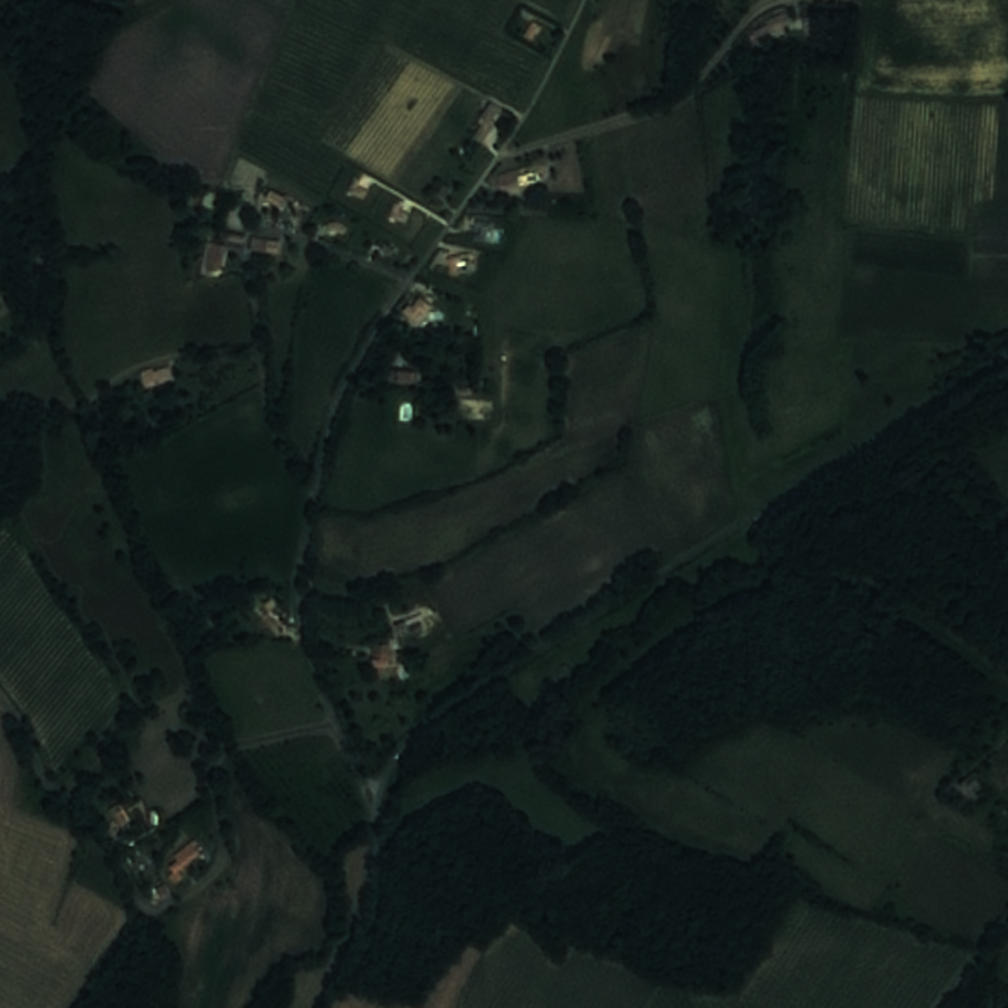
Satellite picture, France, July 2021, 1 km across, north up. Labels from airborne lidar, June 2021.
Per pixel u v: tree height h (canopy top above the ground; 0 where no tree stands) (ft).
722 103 0
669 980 63
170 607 85
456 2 0
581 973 0
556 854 80
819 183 0
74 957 0
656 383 0
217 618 66
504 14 0
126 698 41
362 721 0
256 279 18
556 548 0
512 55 0
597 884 76
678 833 0
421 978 52
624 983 0
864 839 0
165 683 34
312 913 0
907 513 88
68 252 43
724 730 33
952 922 0
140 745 0
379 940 61
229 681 0
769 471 0
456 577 0
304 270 0
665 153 0
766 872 46
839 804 0
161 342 0
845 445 0
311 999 0
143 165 45
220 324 0
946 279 0
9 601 0
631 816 43
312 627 61
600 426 0
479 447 0
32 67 68
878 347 0
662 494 0
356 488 0
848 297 0
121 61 0
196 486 0
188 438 0
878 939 0
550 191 35
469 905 79
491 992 0
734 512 0
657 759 58
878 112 0
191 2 0
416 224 0
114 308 0
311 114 0
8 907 0
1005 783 0
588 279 0
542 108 0
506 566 0
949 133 0
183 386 0
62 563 0
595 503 0
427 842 77
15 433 63
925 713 71
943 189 0
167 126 0
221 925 0
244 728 0
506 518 0
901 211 0
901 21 0
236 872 0
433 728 86
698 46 72
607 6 0
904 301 0
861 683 55
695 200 0
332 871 37
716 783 0
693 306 0
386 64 0
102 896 0
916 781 0
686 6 38
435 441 0
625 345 0
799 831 36
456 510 0
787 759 0
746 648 80
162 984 81
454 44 0
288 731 0
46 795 26
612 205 0
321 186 0
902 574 51
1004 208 0
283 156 0
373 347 18
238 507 0
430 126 0
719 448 0
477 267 0
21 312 44
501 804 82
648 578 68
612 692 56
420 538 0
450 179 0
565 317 0
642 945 57
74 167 0
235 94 0
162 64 0
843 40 75
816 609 75
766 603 71
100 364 0
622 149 0
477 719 97
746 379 62
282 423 41
